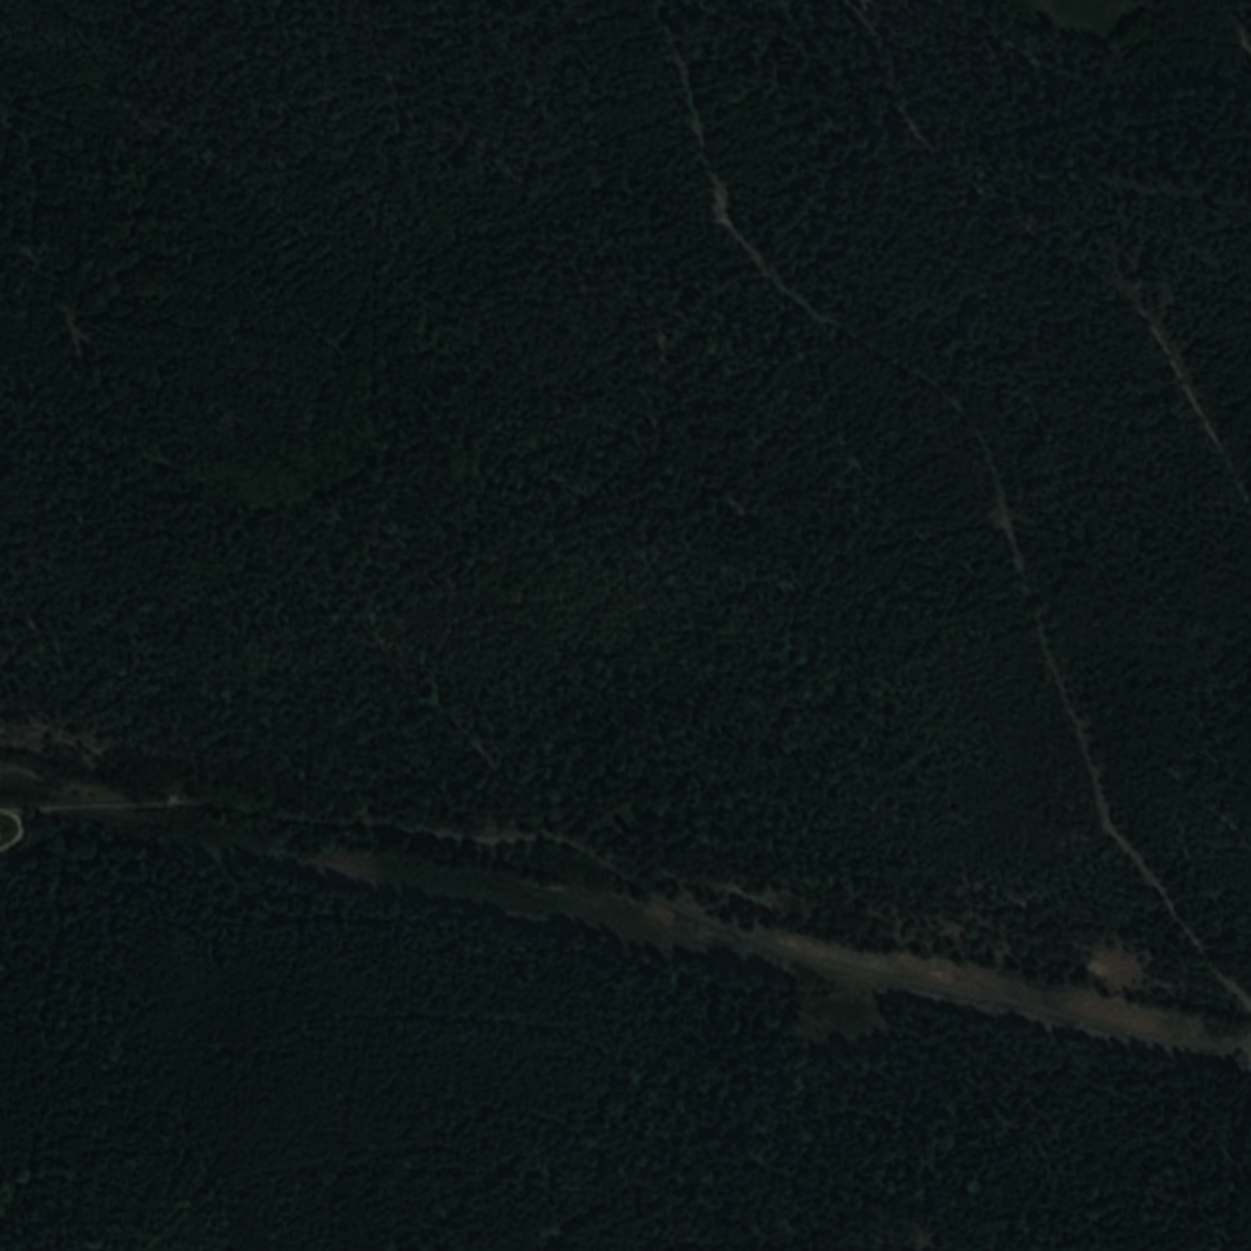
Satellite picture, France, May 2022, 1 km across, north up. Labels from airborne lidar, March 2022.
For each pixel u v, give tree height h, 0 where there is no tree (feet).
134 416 63
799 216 45
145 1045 42
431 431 81
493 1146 59
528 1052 53
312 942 75
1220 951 49
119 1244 45
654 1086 61
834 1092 83
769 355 87
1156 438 90
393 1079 56
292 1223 35
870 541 47
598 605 22
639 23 55
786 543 62
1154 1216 96
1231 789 28
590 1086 62
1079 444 86
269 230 19
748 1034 71
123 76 95
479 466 79
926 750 37
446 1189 55
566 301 84
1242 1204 70
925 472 66
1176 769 37
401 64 36
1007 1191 51
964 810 22
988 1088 47
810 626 31
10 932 32
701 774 28
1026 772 24
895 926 29
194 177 43
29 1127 49
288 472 60
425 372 42
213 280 51
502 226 23
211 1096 51
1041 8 0
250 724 39
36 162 35
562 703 36
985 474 30
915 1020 86
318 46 70
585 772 52
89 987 65
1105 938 29
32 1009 53
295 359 62
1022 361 94
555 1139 71
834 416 45
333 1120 43
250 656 29
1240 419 52
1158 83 24
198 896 73
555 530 53
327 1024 40
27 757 44
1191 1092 93
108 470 56
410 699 29
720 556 52
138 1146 45
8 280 64
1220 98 93
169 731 63
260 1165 29
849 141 117
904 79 87
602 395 50
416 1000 66
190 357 69
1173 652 52
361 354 65
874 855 27
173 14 73
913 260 91
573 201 38
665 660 21
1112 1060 68
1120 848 22
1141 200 38
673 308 25
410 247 37
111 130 41
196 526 81
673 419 79
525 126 79
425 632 21
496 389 75
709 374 79
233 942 52
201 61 80
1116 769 39
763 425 74
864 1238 79
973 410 55
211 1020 59
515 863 43
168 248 48
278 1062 47
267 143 75
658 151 55
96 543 66
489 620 26
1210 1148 80
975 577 22
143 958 50
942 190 95
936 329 43
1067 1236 49
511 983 44
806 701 26
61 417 60
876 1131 76
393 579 81
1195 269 29
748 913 61
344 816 28
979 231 106
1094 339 91
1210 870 28
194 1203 23
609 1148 71
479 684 27
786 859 56
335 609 40
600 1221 78
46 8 91
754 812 30
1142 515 76
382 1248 46
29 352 64
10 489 63
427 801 69
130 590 69
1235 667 59
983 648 26
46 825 71
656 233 48
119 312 53
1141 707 31
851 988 0
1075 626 43
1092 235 38
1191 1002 34
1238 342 37
